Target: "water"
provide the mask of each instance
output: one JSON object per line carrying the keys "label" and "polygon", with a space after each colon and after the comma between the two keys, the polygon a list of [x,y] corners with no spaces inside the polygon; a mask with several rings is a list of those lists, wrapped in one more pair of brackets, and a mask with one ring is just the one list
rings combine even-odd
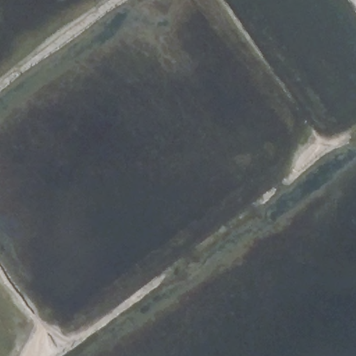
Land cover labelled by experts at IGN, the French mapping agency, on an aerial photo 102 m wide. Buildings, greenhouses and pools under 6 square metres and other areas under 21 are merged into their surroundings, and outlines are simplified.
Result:
{"label": "water", "polygon": [[0,284],[0,356],[21,356],[26,342],[31,338],[33,323],[15,305],[4,285]]}
{"label": "water", "polygon": [[[39,317],[47,324],[60,327],[64,335],[85,330],[121,305],[142,286],[163,274],[165,268],[170,267],[174,271],[156,289],[143,296],[139,302],[133,303],[129,309],[122,311],[120,316],[104,325],[102,330],[96,331],[63,356],[356,356],[356,0],[225,0],[242,22],[250,38],[259,47],[268,64],[273,67],[275,74],[280,76],[286,89],[291,92],[292,97],[286,99],[280,86],[267,74],[266,68],[254,56],[253,50],[217,0],[127,0],[115,6],[113,10],[107,11],[102,18],[90,24],[85,31],[63,44],[60,49],[22,72],[0,92],[0,267],[19,296],[22,299],[29,296],[38,307]],[[299,146],[307,145],[311,131],[316,131],[324,138],[334,138],[348,132],[349,142],[325,153],[292,184],[284,184],[284,178],[288,177],[292,170],[296,150]]]}
{"label": "water", "polygon": [[0,78],[26,57],[31,56],[44,40],[82,14],[88,13],[90,8],[102,6],[106,0],[0,0]]}

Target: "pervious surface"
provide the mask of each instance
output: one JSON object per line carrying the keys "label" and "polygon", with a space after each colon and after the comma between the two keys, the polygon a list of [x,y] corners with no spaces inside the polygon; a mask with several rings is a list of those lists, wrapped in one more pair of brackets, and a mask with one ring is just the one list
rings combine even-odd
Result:
{"label": "pervious surface", "polygon": [[113,10],[115,6],[127,0],[106,0],[102,6],[90,8],[88,13],[82,14],[44,40],[31,56],[26,57],[0,78],[0,92],[22,72],[60,49],[63,44],[85,31],[90,24],[102,18],[107,11]]}
{"label": "pervious surface", "polygon": [[292,97],[291,92],[286,89],[280,76],[275,74],[273,67],[268,64],[259,47],[250,38],[242,22],[225,0],[217,0],[253,50],[254,56],[266,68],[267,74],[280,86],[286,99]]}
{"label": "pervious surface", "polygon": [[121,305],[85,330],[64,335],[60,327],[47,324],[39,317],[38,307],[29,296],[22,299],[19,296],[0,267],[0,284],[4,285],[15,305],[33,323],[31,338],[26,342],[21,356],[63,356],[96,331],[102,330],[104,325],[120,316],[122,311],[129,309],[133,303],[139,302],[143,296],[156,289],[174,271],[170,267],[165,268],[163,274],[142,286]]}
{"label": "pervious surface", "polygon": [[307,145],[299,146],[296,150],[292,170],[288,177],[284,178],[284,184],[292,184],[325,153],[349,142],[348,132],[334,138],[324,138],[316,131],[311,131]]}

